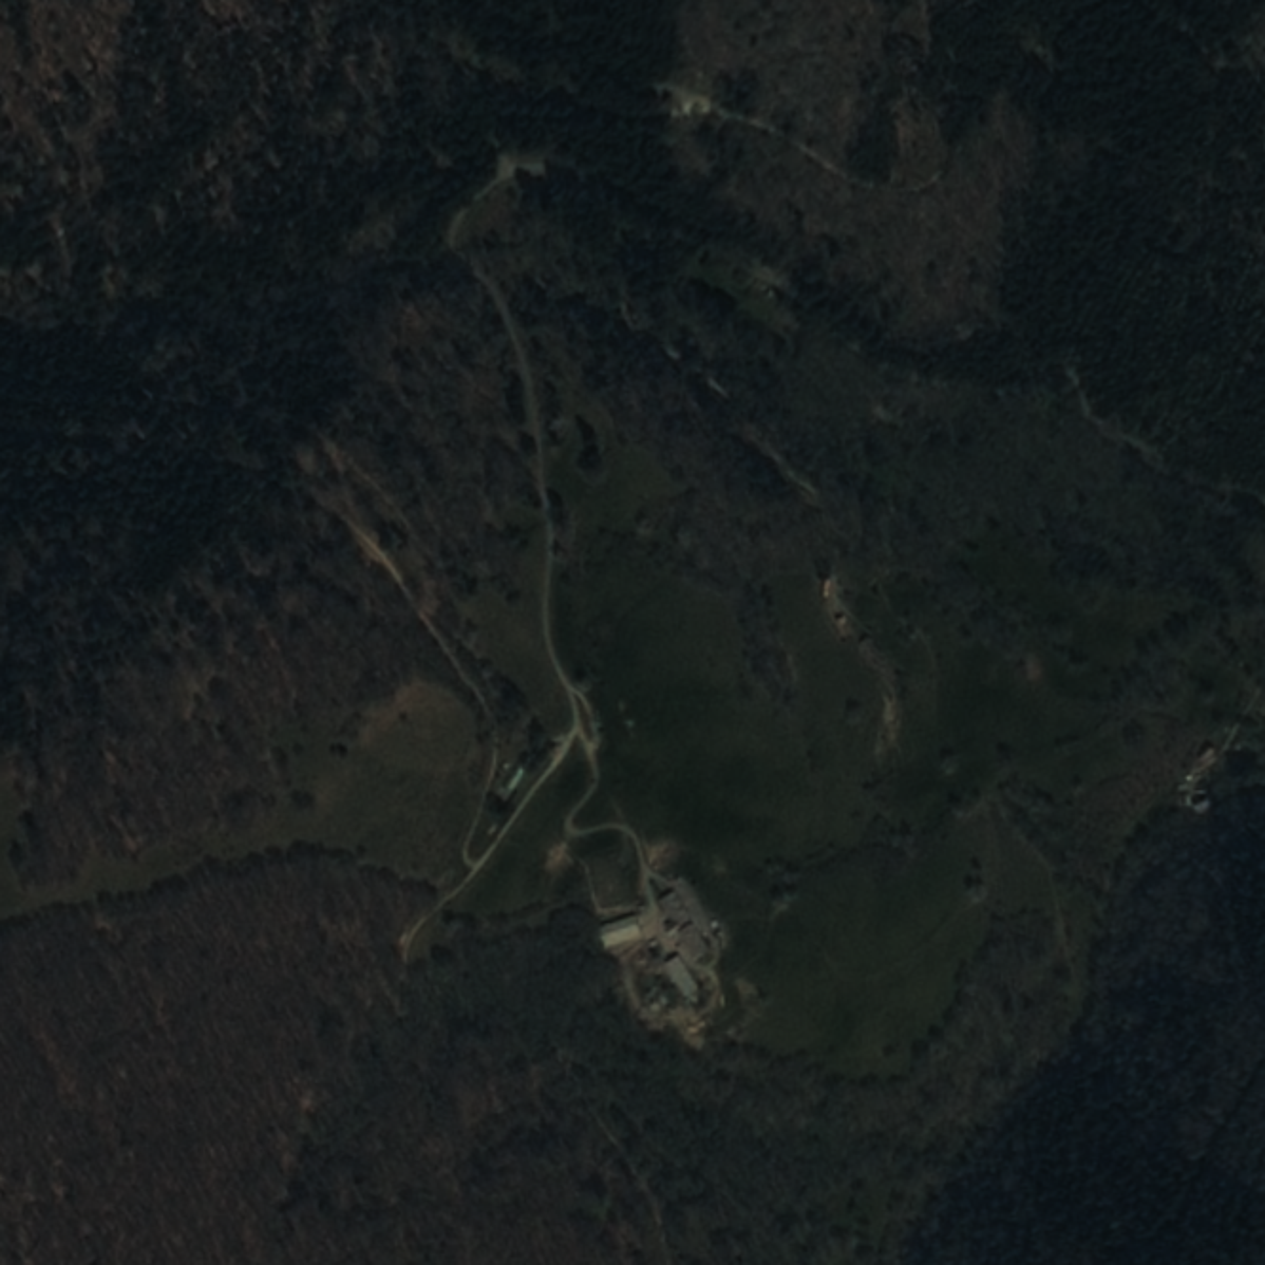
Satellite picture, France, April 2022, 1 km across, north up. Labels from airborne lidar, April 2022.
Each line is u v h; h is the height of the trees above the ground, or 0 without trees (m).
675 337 18
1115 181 27
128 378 14
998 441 22
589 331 26
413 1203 26
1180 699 14
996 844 0
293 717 7
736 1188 25
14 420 17
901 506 29
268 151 13
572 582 12
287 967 32
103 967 26
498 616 0
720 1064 8
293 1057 30
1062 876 9
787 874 13
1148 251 15
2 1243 19
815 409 26
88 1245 28
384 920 28
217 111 28
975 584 23
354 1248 28
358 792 0
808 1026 0
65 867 16
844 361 25
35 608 6
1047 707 0
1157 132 22
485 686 15
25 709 30
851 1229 6
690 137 16
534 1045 20
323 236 32
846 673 0
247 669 23
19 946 23
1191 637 23
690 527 17
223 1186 29
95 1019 28
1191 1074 27
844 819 0
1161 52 25
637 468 0
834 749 0
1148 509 21
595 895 0
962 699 0
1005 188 21
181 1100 30
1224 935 11
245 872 18
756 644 17
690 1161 19
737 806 0
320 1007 29
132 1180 21
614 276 20
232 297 30
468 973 26
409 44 36
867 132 15
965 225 27
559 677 0
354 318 28
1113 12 28
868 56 15
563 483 0
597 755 0
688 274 18
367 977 26
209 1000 33
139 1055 28
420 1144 19
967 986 12
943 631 0
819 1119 20
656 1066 22
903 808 0
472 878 0
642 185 23
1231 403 20
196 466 26
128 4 24
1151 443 21
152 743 28
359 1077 27
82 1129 28
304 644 26
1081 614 0
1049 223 30
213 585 19
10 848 0
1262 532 25
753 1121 20
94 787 32
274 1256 24
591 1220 28
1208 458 19
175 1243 27
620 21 29
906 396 26
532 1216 21
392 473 26
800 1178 24
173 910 25
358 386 19
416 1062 15
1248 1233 21
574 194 36
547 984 21
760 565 29
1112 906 14
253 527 18
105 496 23
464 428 25
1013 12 32
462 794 0
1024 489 24
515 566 19
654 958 9
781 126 6
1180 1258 28
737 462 26
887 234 18
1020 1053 14
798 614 0
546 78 22
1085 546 24
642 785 0
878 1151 22
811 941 0
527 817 0
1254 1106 11
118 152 30
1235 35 15
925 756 0
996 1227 24
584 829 0
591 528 0
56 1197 28
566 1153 33
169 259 28
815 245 10
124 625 34
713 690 0
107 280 31
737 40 18
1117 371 20
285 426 18
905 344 21
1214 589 24
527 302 17
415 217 27
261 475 19
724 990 0
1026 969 25
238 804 23
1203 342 26
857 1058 0
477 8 30
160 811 28
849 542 22
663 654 0
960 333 26
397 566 0
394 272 23
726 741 0
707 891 0
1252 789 9
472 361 7
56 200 32
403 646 24
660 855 0
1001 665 0
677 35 21
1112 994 19
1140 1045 11
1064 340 31
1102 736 0
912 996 0
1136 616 0
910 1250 16
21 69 26
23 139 27
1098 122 32
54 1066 29
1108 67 34
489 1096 27
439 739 0
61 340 11
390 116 27
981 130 26
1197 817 13
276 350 27
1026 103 31
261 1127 32
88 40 27
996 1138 26
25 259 27
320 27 26
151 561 20
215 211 28
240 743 20
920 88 23
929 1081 6
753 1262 20
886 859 5
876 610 0
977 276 25
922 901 0
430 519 22
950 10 25
